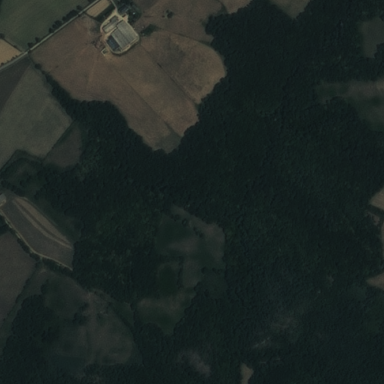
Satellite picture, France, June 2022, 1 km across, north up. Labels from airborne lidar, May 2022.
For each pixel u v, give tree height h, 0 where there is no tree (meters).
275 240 19
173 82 0
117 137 29
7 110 0
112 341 0
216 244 0
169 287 0
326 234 25
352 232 22
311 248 18
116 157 32
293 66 26
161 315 0
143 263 23
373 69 21
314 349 8
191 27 0
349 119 8
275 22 24
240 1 0
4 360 15
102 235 20
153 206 23
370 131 15
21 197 12
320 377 20
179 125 0
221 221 29
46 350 0
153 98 0
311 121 12
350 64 19
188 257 0
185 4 0
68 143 0
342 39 24
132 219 19
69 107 18
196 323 12
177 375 13
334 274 9
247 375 0
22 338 16
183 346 15
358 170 25
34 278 0
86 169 11
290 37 17
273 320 7
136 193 19
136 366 16
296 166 18
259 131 25
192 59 0
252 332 8
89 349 0
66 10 0
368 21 6
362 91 0
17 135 0
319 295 12
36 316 16
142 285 19
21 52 0
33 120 0
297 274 20
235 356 17
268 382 17
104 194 19
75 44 0
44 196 8
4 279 0
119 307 0
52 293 0
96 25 0
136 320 14
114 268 21
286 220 12
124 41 0
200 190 22
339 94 0
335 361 10
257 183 30
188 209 22
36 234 0
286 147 21
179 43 0
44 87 0
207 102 13
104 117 29
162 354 12
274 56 17
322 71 22
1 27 0
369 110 0
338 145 15
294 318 6
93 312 0
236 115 21
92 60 0
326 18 25
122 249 12
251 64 30
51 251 0
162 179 27
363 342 11
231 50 25
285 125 17
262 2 20
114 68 0
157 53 0
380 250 11
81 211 17
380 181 17
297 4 0
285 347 6
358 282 15
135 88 0
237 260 14
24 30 0
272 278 8
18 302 11
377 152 24
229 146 16
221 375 8
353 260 20
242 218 21
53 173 13
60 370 9
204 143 24
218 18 14
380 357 13
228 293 17
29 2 0
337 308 11
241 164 19
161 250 0
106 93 0
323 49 26
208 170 19
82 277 17
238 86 20
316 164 19
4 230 18
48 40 0
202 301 22
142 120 0
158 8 0
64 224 0
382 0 16
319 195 20
